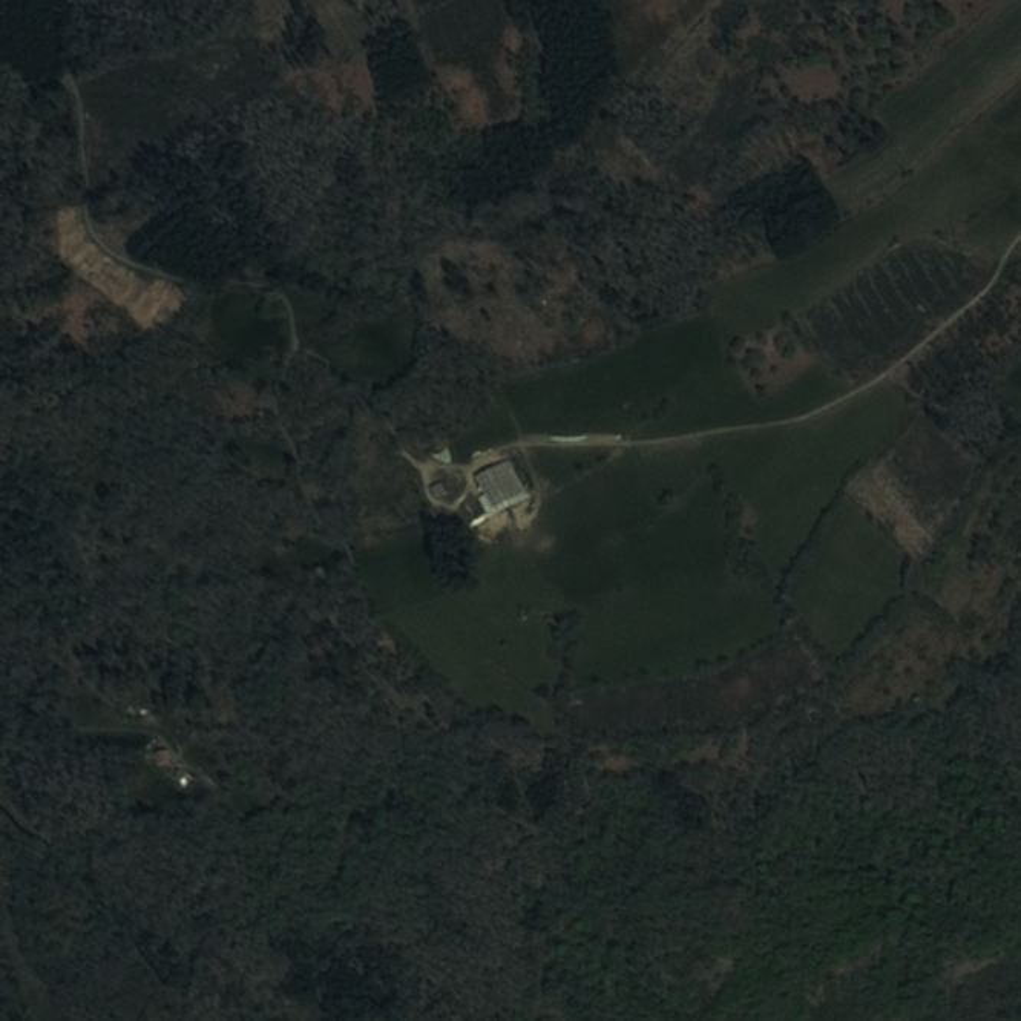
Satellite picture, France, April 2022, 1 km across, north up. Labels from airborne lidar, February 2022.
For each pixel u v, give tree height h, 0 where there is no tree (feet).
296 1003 26
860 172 0
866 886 79
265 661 49
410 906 76
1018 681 72
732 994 49
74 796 84
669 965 81
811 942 73
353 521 71
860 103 50
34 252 52
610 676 0
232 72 0
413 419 35
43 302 55
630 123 46
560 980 88
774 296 0
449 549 100
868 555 0
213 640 74
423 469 0
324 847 73
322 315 0
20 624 58
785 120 75
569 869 94
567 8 93
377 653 19
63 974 42
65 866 49
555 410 0
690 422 0
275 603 59
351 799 72
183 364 74
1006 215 0
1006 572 0
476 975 67
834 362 0
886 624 58
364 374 0
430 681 65
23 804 63
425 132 38
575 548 0
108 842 57
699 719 0
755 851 82
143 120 0
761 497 0
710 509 0
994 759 83
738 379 0
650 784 93
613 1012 82
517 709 0
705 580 0
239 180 77
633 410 0
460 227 63
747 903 29
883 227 0
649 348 0
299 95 0
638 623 0
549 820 63
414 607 0
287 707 47
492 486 0
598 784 69
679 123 37
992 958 23
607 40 89
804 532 0
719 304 0
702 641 0
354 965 82
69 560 81
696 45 0
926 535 0
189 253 101
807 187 53
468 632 0
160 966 26
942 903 78
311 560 0
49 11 30
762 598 0
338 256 52
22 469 76
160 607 78
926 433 0
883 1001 65
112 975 78
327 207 73
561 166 66
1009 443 80
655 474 0
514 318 0
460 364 56
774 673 0
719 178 69
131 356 44
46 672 72
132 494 79
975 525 0
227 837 71
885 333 0
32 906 46
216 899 48
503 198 53
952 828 81
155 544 51
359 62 0
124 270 0
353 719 59
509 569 0
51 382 34
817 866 34
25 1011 26
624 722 0
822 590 0
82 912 52
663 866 98
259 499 67
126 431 77
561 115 90
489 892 62
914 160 0
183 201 81
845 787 63
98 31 60
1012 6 0
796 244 103
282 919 87
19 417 38
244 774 65
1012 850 84
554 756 36
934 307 0
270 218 80
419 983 87
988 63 0
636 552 0
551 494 0
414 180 38
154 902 85
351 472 0
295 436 24
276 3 0
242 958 39
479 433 0
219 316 0
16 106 35
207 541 59
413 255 50
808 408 0
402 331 0
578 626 46
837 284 0
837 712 35
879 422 0
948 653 0
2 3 26
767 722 68
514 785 26
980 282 0
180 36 66
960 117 0
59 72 35
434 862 75
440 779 66
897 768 86
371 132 62
